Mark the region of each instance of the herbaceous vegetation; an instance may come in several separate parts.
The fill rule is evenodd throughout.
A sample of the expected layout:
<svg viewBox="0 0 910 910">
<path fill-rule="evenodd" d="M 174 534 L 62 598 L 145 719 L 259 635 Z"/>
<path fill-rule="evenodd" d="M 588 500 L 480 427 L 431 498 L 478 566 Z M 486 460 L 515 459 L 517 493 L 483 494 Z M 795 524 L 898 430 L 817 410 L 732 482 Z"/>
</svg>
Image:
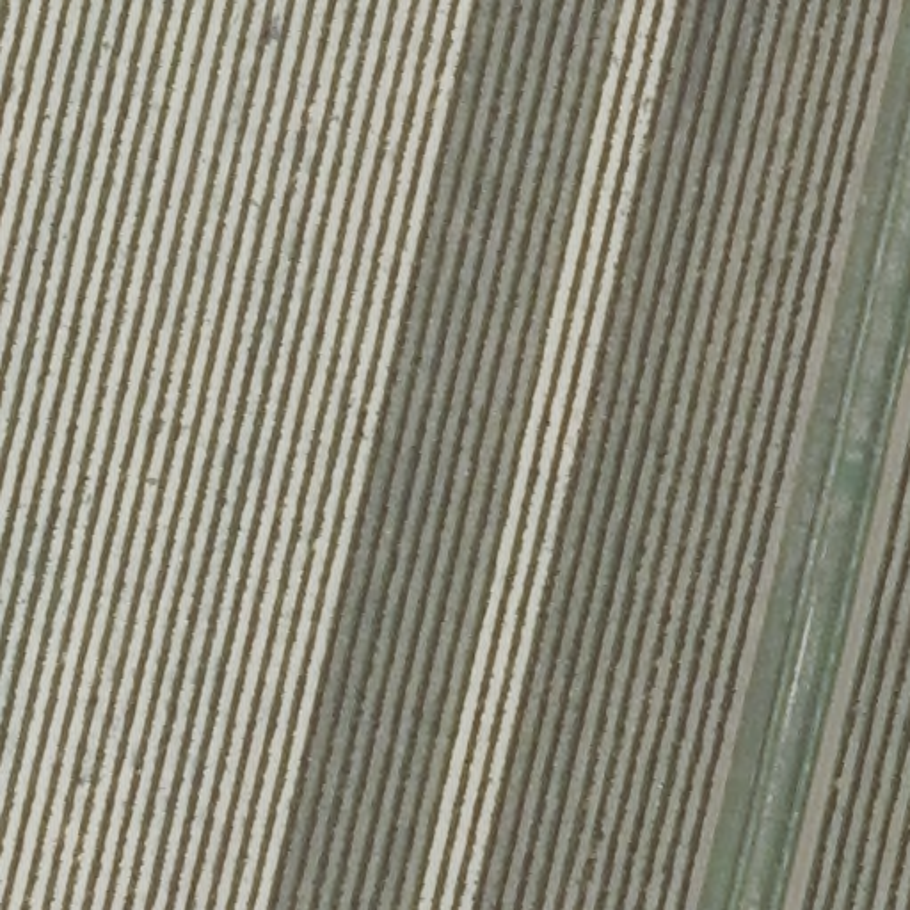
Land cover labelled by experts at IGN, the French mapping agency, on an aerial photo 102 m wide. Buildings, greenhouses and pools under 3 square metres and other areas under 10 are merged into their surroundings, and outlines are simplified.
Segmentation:
<svg viewBox="0 0 910 910">
<path fill-rule="evenodd" d="M 786 910 L 807 796 L 821 754 L 828 704 L 835 693 L 835 675 L 842 665 L 857 579 L 889 451 L 889 391 L 896 377 L 903 380 L 910 373 L 910 36 L 892 53 L 892 71 L 882 96 L 878 132 L 867 156 L 864 192 L 846 252 L 821 384 L 807 423 L 771 601 L 761 629 L 754 679 L 746 690 L 746 711 L 697 910 Z M 810 686 L 800 700 L 796 743 L 778 746 L 775 739 L 782 729 L 786 693 L 793 683 L 807 608 L 821 611 L 818 658 Z"/>
</svg>

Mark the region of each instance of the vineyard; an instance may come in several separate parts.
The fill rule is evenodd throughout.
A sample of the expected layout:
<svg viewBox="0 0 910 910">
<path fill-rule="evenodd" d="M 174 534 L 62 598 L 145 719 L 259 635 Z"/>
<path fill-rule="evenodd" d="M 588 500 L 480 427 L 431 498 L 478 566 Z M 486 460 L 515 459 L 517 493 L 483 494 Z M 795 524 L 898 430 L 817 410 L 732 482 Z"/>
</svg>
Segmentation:
<svg viewBox="0 0 910 910">
<path fill-rule="evenodd" d="M 828 704 L 821 754 L 807 796 L 786 910 L 910 910 L 910 373 L 903 380 L 896 377 L 889 391 L 889 451 L 857 579 L 842 665 L 835 675 L 835 693 Z"/>
<path fill-rule="evenodd" d="M 0 910 L 697 910 L 746 711 L 746 690 L 754 679 L 761 629 L 771 601 L 807 423 L 821 384 L 846 252 L 864 192 L 867 156 L 878 132 L 882 96 L 892 71 L 892 53 L 910 36 L 910 0 L 0 0 Z"/>
<path fill-rule="evenodd" d="M 786 693 L 782 729 L 775 739 L 778 746 L 796 743 L 800 700 L 810 686 L 818 658 L 821 611 L 807 608 L 793 683 Z"/>
</svg>

